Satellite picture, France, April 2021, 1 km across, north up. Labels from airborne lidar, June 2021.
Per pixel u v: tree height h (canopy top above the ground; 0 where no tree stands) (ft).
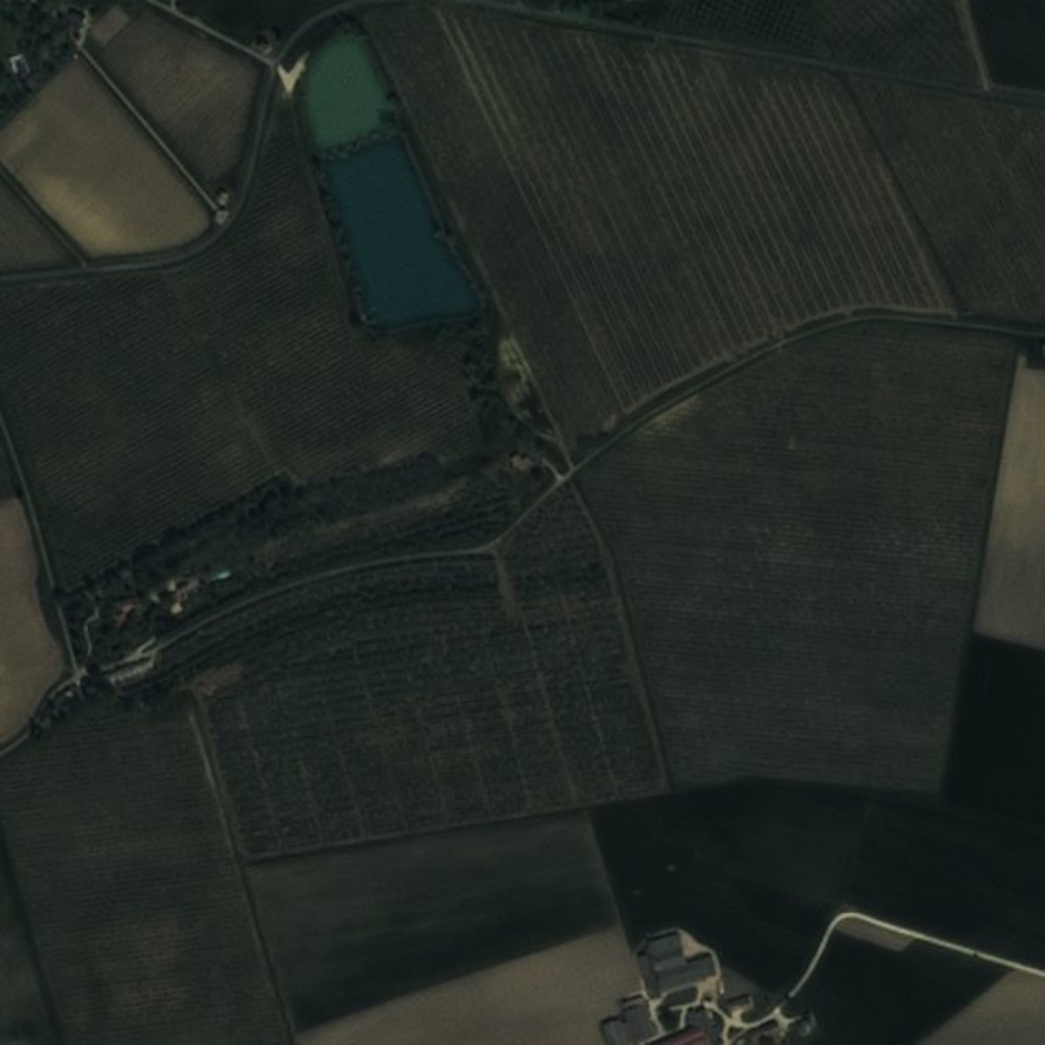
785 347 0
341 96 0
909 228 0
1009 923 0
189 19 0
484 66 0
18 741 0
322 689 23
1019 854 0
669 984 0
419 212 0
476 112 0
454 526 27
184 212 0
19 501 19
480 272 0
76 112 0
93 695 38
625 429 31
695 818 0
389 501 66
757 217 0
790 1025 0
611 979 0
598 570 21
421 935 0
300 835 18
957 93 0
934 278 0
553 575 21
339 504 63
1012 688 0
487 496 19
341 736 18
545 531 19
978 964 0
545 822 0
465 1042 0
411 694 20
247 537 44
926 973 0
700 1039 0
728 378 0
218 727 19
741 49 0
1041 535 0
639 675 0
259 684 18
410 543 26
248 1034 0
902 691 0
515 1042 0
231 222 0
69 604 31
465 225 0
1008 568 0
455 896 0
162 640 58
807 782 0
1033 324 0
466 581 27
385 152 0
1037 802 0
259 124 0
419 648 19
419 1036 0
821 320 0
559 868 0
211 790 0
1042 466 0
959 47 35
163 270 0
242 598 27
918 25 40
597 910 0
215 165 0
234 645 19
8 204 0
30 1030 0
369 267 0
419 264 0
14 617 0
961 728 0
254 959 0
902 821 0
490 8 0
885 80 0
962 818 0
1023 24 0
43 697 0
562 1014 0
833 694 0
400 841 0
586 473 0
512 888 0
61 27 24
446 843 0
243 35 0
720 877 0
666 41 0
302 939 0
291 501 47
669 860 0
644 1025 0
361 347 0
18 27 60
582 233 0
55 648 0
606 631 19
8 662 0
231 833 0
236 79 0
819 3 32
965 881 0
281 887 0
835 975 0
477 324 52
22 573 0
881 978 0
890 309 0
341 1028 0
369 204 0
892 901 0
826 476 0
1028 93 0
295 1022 0
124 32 0
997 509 0
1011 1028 0
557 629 20
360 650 18
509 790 18
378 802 18
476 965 0
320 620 21
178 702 0
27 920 0
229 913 0
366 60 0
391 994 0
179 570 44
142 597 36
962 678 0
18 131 0
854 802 0
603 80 0
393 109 24
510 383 0
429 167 0
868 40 39
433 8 0
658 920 0
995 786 0
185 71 0
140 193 0
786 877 0
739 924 0
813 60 0
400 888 0
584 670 20
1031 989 0
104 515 0
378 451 0
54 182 0
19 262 0
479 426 0
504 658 23
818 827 0
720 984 0
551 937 0
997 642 0
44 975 0
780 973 0
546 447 35
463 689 19
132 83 0
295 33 0
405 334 19
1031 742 0
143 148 0
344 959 0
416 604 23
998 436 0
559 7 69
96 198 0
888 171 0
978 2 0
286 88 0
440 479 76
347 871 0
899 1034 0
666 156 0
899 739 0
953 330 0
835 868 0
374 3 0
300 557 25
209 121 0
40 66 67
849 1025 0
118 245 0
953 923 0
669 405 0
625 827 0
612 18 18
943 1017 0
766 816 0
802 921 0
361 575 18
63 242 0
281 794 17
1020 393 0
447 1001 0
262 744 19
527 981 0
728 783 0
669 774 0
